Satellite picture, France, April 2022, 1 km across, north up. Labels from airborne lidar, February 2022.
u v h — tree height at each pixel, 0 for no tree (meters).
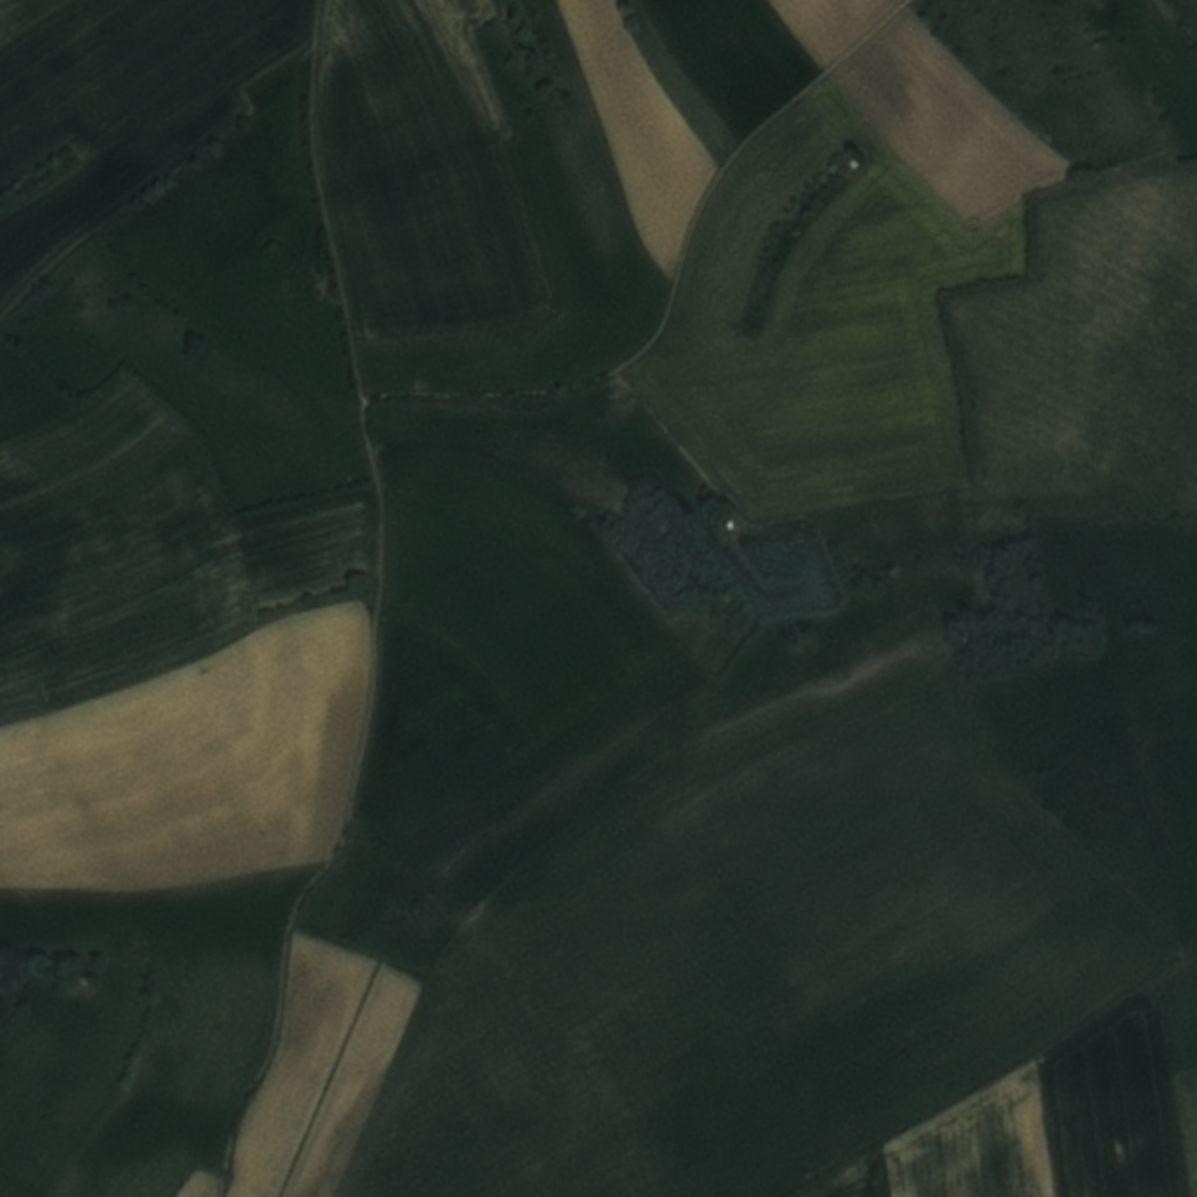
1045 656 19
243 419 0
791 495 0
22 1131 0
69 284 0
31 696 0
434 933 0
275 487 0
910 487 0
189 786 0
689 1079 0
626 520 6
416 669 0
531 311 0
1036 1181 0
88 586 0
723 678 0
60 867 0
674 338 0
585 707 0
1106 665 0
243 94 0
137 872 0
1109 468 0
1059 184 0
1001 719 0
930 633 0
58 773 0
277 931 0
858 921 0
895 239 0
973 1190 0
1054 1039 0
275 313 0
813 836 0
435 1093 0
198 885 0
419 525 0
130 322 0
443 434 0
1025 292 0
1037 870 0
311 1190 0
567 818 0
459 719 0
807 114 0
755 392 0
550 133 0
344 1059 0
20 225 0
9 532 0
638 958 0
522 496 0
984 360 0
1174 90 0
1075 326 0
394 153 0
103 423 0
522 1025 0
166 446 0
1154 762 0
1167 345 0
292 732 0
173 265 0
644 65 0
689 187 0
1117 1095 0
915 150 0
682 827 0
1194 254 0
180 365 0
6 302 0
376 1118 0
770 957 0
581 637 0
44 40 0
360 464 0
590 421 0
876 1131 0
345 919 0
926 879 0
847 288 0
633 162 0
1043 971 0
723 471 0
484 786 0
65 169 6
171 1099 0
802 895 0
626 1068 0
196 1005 0
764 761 0
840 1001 0
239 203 0
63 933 0
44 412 0
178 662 0
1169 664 0
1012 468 0
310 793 0
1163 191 0
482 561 0
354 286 0
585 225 0
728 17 0
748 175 0
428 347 0
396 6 0
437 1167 0
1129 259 0
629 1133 0
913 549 0
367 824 0
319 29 0
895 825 0
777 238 7
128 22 0
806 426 0
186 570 0
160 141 0
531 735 0
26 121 0
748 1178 0
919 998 0
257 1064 0
